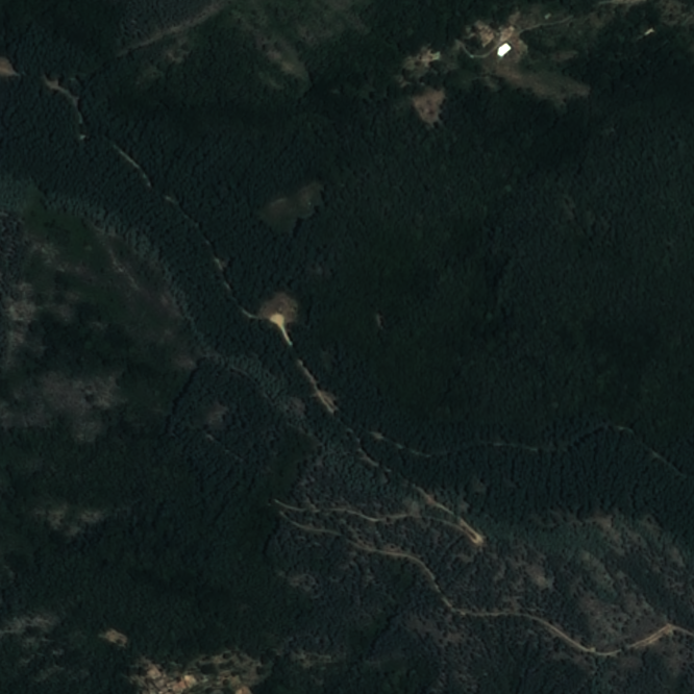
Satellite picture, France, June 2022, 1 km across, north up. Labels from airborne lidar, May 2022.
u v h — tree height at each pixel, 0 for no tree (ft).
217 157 94
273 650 26
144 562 71
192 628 56
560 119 58
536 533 61
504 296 64
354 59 48
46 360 36
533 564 42
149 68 35
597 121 34
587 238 22
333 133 45
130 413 26
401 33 37
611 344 42
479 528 43
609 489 72
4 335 61
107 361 31
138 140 92
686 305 45
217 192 94
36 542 57
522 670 65
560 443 85
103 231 51
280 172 95
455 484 75
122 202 62
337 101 94
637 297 51
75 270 0
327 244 43
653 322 46
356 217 46
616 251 47
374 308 62
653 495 76
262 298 58
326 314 72
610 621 22
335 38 30
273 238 78
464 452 84
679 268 45
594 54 32
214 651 49
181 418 85
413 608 47
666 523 85
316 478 70
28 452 32
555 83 0
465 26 29
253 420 76
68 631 46
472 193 49
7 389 34
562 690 67
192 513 60
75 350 45
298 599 73
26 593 56
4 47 26
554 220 47
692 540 75
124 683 28
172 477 53
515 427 48
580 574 47
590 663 51
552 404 77
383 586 70
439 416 67
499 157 54
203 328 82
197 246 77
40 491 43
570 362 47
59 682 32
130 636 39
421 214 39
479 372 61
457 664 66
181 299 40
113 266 0
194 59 53
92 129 104
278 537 80
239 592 57
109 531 60
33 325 38
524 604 53
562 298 52
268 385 64
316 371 75
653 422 64
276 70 28
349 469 53
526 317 62
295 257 80
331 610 70
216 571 102
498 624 73
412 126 42
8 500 40
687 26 25
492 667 77
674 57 72
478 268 50
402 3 78
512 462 68
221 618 74
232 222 77
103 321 34
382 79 23
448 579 65
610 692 60
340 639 70
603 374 75
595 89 38
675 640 47
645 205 49
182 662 62
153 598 51
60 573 62
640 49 52
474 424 47
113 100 55
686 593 42
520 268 56
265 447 72
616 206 40
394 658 65
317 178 71
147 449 53
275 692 30
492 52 0
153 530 49
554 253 51
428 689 50
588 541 34
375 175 38
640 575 81
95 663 37
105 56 50
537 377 64
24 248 58
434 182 51
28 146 80
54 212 39
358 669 63
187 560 60
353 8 36
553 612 65
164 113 94
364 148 66
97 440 25
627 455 76
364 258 59
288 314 0
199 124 97
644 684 73
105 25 31
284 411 53
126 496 57
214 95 73
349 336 55
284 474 28
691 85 81
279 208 0
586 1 73
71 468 44
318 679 22
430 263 76
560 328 56
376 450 73
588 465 80
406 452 50
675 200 38
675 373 75
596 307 58
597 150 71
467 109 75
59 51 82
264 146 54
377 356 56
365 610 62
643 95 95
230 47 71
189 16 47
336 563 69
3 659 39
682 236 43
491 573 39
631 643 49
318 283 63
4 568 40
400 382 48
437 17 40
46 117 78
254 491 62
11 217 61
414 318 63
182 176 83
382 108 60
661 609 38
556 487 82
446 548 51
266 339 75
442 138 78
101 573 29
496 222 73
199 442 88
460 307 45
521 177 46
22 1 51
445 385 72
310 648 58
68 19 48
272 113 74
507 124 38
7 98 64
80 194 77
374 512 60
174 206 64
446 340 67
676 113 82
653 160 42
